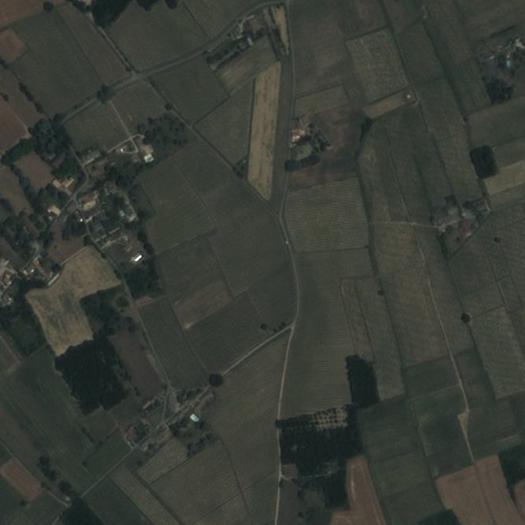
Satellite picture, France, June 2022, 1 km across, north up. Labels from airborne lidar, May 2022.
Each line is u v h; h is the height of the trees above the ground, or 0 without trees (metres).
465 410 0
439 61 0
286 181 0
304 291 0
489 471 0
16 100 0
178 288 0
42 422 0
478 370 0
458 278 0
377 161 0
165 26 0
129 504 0
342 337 0
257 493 0
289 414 0
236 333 0
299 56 0
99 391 15
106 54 0
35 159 0
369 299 0
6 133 0
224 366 0
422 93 0
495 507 0
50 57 0
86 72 0
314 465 9
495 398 0
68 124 0
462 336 0
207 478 0
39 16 0
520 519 0
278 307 0
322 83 0
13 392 0
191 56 0
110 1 18
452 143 0
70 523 13
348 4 0
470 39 0
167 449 0
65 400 0
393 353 0
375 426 0
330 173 0
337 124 0
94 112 0
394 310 0
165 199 0
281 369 0
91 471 0
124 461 0
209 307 0
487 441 0
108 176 10
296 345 0
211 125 0
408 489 0
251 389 0
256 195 0
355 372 16
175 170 0
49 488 7
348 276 0
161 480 0
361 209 0
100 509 0
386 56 0
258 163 0
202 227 0
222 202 0
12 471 0
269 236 0
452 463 0
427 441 0
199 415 0
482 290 0
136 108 0
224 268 0
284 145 0
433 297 0
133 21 0
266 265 0
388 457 0
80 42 0
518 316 0
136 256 0
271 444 0
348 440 14
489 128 0
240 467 0
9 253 0
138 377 0
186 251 0
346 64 0
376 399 7
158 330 0
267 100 0
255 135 0
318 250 0
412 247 0
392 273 0
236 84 0
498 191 0
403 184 0
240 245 0
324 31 0
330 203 0
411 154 0
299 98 0
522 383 0
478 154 18
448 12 0
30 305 7
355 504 0
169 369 0
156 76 0
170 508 0
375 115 0
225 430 0
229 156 0
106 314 6
